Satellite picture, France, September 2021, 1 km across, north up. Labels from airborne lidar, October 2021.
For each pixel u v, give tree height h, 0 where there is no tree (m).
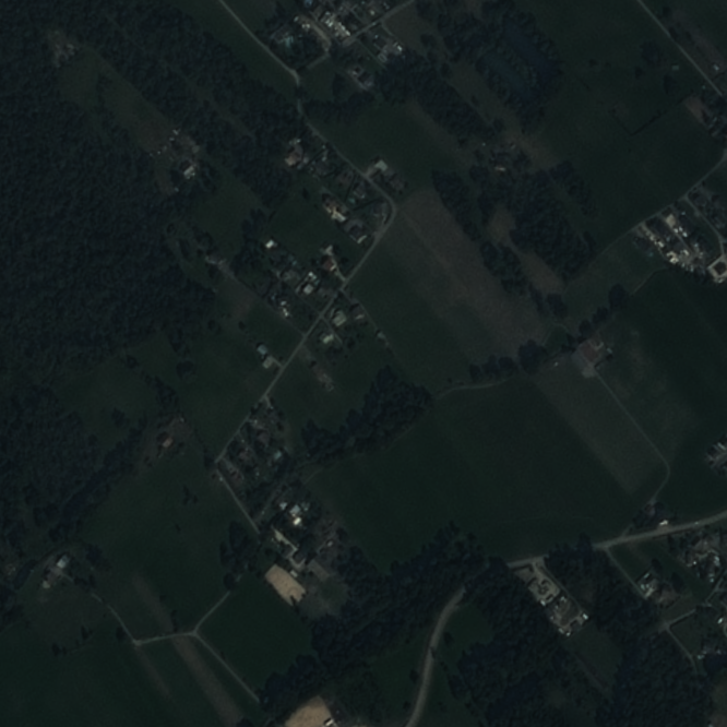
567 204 0
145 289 22
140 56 17
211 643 0
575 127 0
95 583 13
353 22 11
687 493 0
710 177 0
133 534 0
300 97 16
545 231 25
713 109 6
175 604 0
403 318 0
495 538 0
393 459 0
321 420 0
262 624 0
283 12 17
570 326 0
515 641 28
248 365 0
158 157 0
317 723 0
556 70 13
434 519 0
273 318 0
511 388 0
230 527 0
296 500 7
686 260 0
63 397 0
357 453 10
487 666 29
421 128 0
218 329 9
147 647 0
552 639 9
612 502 0
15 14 19
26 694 0
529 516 0
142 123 0
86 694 0
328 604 0
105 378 0
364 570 18
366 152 0
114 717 0
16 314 19
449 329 0
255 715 0
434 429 0
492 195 22
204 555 0
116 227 14
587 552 10
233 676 0
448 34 10
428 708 0
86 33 13
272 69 0
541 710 22
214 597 0
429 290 0
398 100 23
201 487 0
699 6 0
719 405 0
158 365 0
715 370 0
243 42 0
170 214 21
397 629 23
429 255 0
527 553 0
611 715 10
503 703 0
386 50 0
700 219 0
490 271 16
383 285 0
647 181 0
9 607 19
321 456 25
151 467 6
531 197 17
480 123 19
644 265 0
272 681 0
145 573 0
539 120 22
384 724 0
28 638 0
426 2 0
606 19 0
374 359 0
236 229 0
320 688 23
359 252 0
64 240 26
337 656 23
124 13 17
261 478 0
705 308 0
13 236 6
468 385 0
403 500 0
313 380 0
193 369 13
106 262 18
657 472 0
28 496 21
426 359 0
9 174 12
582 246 13
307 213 0
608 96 0
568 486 0
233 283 0
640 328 0
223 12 0
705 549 0
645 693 28
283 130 16
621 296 16
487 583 17
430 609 25
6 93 23
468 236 16
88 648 0
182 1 0
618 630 6
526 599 18
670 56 0
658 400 0
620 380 0
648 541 0
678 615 0
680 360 0
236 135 21
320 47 16
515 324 0
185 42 19
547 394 0
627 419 0
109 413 0
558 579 8
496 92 24
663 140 0
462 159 0
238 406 0
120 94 0
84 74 0
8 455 25
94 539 0
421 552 0
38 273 15
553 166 0
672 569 0
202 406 0
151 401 0
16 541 27
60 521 14
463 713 0
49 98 18
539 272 0
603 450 0
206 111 16
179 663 0
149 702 0
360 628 16
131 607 0
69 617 0
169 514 0
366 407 0
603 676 0
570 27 0
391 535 0
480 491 0
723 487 0
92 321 21
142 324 30
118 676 0
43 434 15
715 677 28
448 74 16
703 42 0
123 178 15
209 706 0
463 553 15
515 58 8
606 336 0
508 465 0
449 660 0
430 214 0
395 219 0
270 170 18
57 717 0
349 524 0
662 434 0
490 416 0
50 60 25
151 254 15
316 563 0
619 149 0
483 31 11
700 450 0
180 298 28
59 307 21
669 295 0
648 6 0
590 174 0
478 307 0
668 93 13
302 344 0
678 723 25
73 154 18
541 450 0
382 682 0
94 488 18
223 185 17
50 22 23
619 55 0
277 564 12
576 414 0
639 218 0
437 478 0
